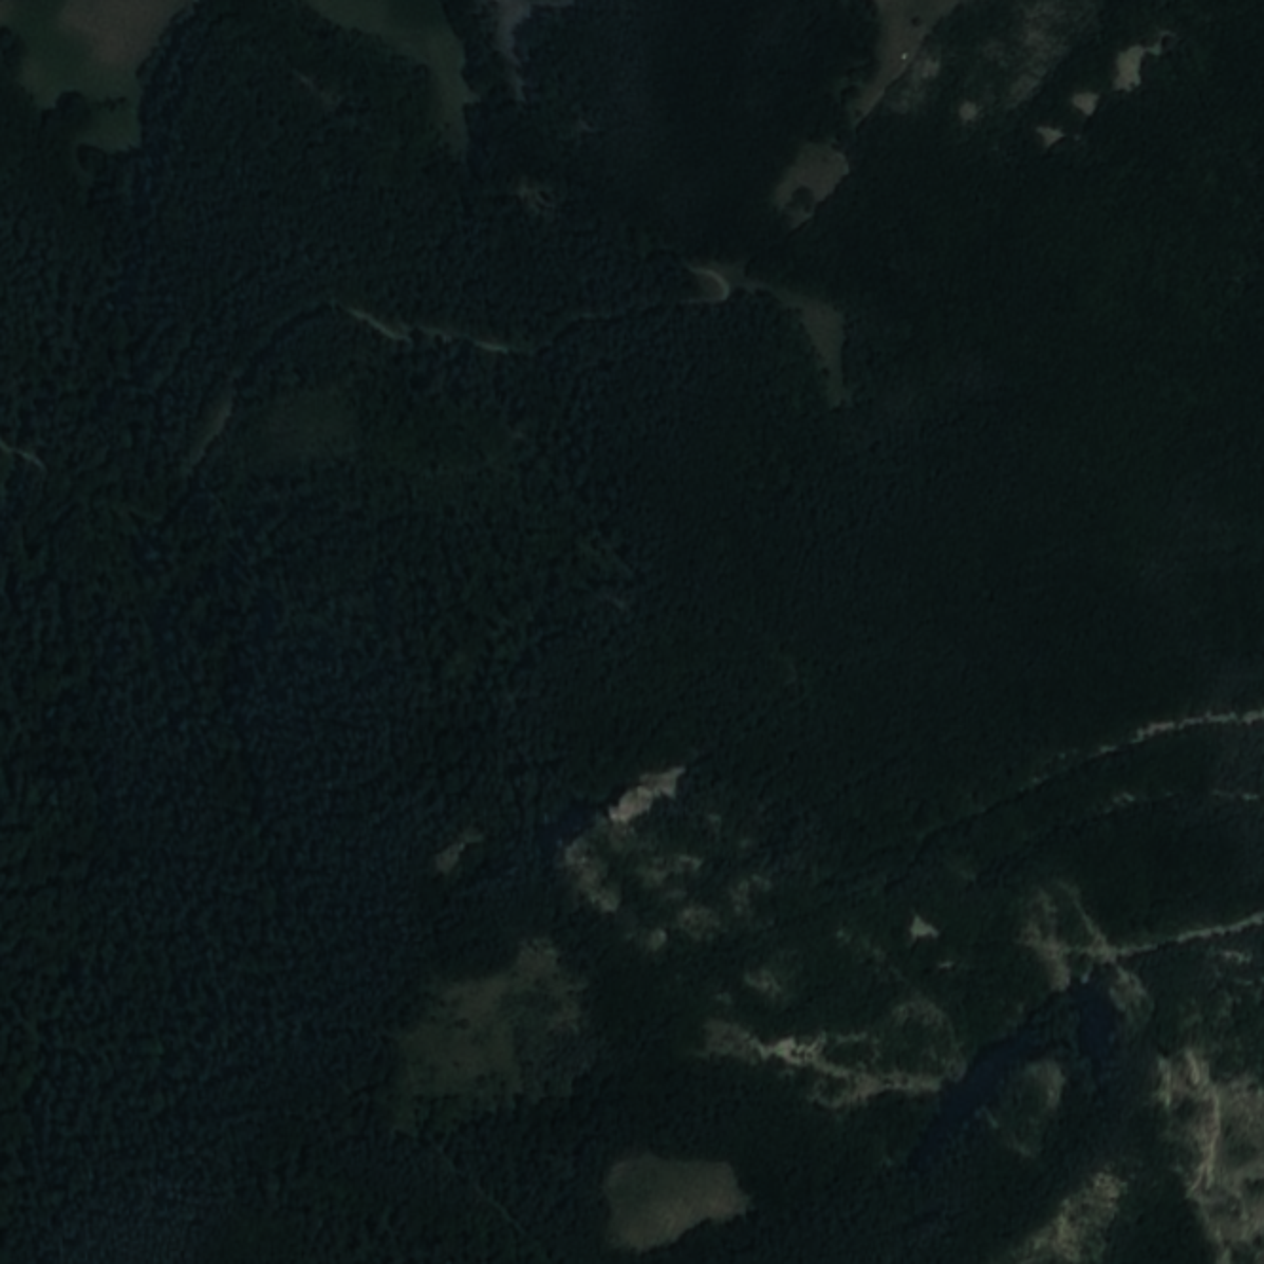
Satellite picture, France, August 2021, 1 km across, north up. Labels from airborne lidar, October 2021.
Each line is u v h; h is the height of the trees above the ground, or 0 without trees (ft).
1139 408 65
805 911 41
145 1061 54
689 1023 34
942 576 60
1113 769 43
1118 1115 32
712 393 79
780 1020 46
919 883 37
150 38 0
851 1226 67
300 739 75
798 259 35
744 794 52
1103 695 58
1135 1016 39
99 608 85
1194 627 52
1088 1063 37
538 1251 70
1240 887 51
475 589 19
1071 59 50
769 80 52
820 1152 66
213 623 64
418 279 77
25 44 40
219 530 69
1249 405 74
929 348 67
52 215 89
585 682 72
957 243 55
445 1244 108
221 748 62
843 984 41
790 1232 92
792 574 72
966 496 65
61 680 91
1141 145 75
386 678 49
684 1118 77
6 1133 79
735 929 20
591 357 53
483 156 53
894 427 41
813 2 36
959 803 40
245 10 62
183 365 64
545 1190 60
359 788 55
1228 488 53
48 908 92
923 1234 32
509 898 55
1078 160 71
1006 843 55
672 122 38
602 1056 47
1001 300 70
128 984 65
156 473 104
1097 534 65
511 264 71
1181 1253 51
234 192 64
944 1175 47
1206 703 42
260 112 62
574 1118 36
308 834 70
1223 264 81
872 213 62
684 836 53
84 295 78
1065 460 58
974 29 28
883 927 42
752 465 53
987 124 31
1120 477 62
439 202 53
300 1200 80
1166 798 29
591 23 36
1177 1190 34
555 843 24
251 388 61
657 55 37
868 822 51
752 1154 51
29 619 93
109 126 0
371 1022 49
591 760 79
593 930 72
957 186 63
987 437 59
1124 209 74
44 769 62
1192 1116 18
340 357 89
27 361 64
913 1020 23
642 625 47
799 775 89
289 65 70
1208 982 24
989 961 42
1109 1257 23
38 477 64
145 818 74
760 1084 49
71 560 93
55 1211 56
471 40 34
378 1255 46
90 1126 55
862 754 62
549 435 50
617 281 76
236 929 31
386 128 68
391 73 59
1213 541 42
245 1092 54
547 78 46
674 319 48
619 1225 0
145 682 40
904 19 0
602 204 55
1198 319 78
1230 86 75
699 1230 40
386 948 38
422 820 28
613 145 32
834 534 80
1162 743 37
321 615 31
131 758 67
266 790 104
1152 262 84
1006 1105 26
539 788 59
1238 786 35
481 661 24
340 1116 51
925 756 64
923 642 60
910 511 75
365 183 77
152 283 87
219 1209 44
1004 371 50
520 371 62
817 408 50
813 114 41
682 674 61
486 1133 77
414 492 33
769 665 53
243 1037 44
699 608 77
